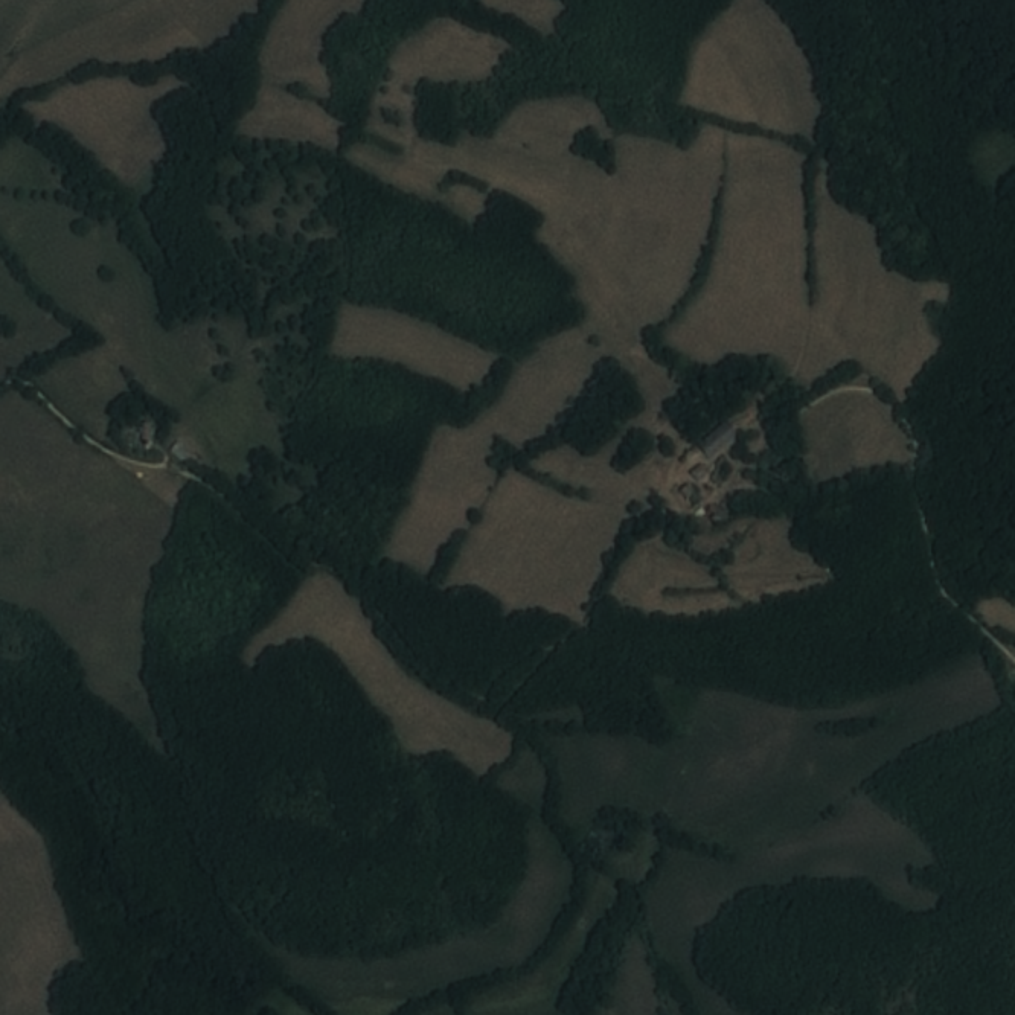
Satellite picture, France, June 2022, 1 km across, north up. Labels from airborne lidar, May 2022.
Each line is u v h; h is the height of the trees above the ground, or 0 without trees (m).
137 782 10
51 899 0
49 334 0
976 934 10
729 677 12
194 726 12
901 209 19
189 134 22
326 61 13
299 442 17
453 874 15
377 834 16
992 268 17
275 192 0
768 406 12
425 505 0
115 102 0
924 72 22
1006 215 25
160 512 0
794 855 0
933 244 10
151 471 0
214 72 24
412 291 7
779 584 0
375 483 16
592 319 0
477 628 15
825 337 0
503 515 0
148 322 0
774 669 10
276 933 12
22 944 0
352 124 15
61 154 17
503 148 0
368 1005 0
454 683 13
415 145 0
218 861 22
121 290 0
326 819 19
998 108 20
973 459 17
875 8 22
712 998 0
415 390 12
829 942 12
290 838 23
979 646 13
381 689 0
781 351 0
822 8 20
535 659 13
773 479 17
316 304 13
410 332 0
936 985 8
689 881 0
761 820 0
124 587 0
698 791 0
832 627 9
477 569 0
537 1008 0
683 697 0
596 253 0
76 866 12
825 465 0
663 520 22
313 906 13
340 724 15
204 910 11
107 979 9
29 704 11
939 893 10
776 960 15
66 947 0
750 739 0
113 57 0
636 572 0
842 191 17
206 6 0
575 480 0
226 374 13
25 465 0
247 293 16
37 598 0
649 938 10
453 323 9
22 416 0
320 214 8
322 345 15
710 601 0
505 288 6
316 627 0
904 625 11
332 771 17
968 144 20
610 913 12
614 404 24
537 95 9
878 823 0
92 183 15
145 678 17
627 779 0
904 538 11
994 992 12
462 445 0
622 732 16
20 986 0
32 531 0
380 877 14
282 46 0
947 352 13
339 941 12
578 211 0
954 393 18
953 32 33
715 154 0
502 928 0
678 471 0
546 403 0
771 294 0
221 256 13
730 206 0
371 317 0
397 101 0
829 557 16
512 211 22
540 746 14
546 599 0
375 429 10
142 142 0
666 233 0
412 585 16
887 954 8
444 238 8
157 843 11
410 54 0
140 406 10
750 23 0
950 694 0
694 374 9
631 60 7
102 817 7
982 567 12
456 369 0
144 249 12
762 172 0
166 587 12
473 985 14
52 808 12
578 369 0
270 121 0
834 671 14
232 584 7
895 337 0
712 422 19
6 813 0
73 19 0
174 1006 24
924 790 9
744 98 0
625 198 0
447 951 0
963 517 16
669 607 0
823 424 0
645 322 0
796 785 0
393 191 10
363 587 18
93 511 0
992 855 8
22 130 18
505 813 20
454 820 14
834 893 13
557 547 0
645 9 10
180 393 0
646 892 10
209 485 14
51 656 9
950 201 25
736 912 14
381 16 12
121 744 10
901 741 0
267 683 14
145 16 0
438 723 0
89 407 0
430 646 15
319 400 8
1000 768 8
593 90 6
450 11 15
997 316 16
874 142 21
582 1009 13
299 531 14
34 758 14
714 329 0
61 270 0
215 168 12
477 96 7
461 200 0
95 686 0
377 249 7
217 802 17
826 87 15
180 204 14
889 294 0
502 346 15
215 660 11
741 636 12
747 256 0
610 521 0
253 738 15
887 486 15
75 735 8
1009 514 9
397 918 10
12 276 7
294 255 8
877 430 0
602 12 8
